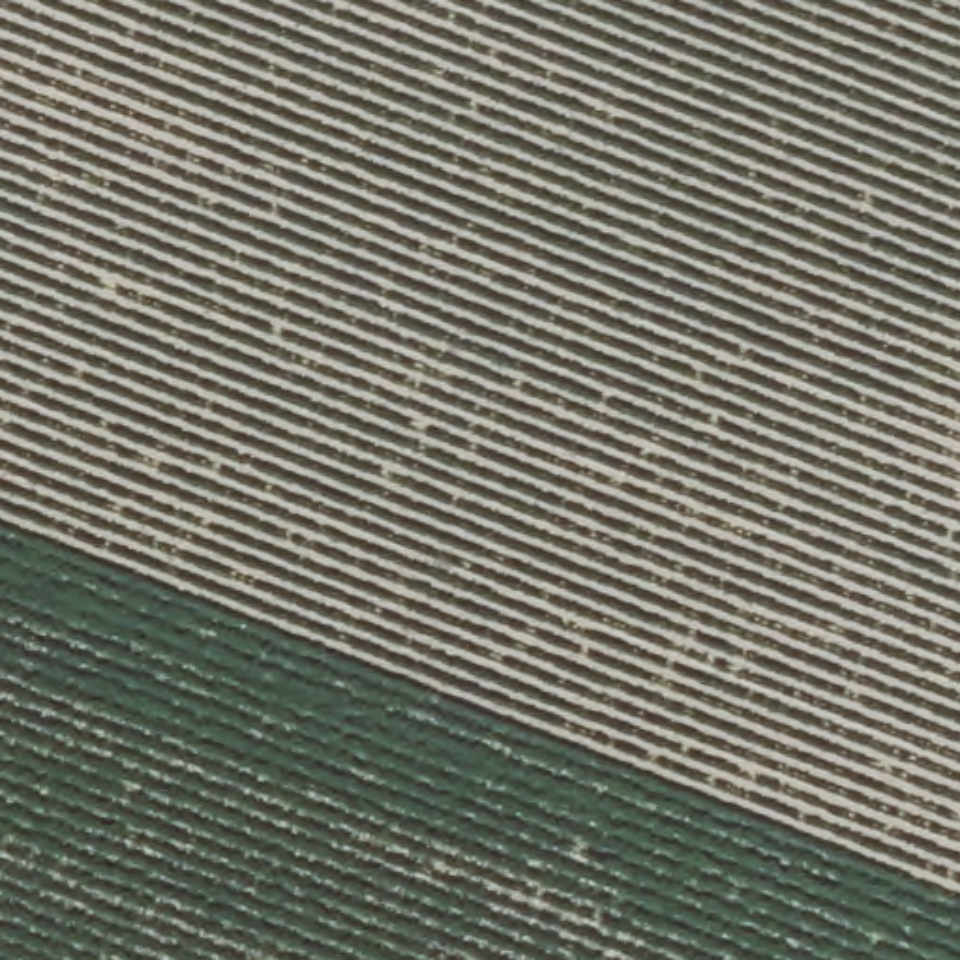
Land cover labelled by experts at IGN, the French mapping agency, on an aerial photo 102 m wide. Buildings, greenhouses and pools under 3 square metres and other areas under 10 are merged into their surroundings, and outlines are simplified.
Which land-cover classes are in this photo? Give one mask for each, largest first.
<instances>
[{"label":"vineyard","instance_id":"1","mask_svg":"<svg viewBox=\"0 0 960 960\"><path fill-rule=\"evenodd\" d=\"M0 960H960V0H0Z\"/></svg>","mask_w":960,"mask_h":960}]
</instances>
